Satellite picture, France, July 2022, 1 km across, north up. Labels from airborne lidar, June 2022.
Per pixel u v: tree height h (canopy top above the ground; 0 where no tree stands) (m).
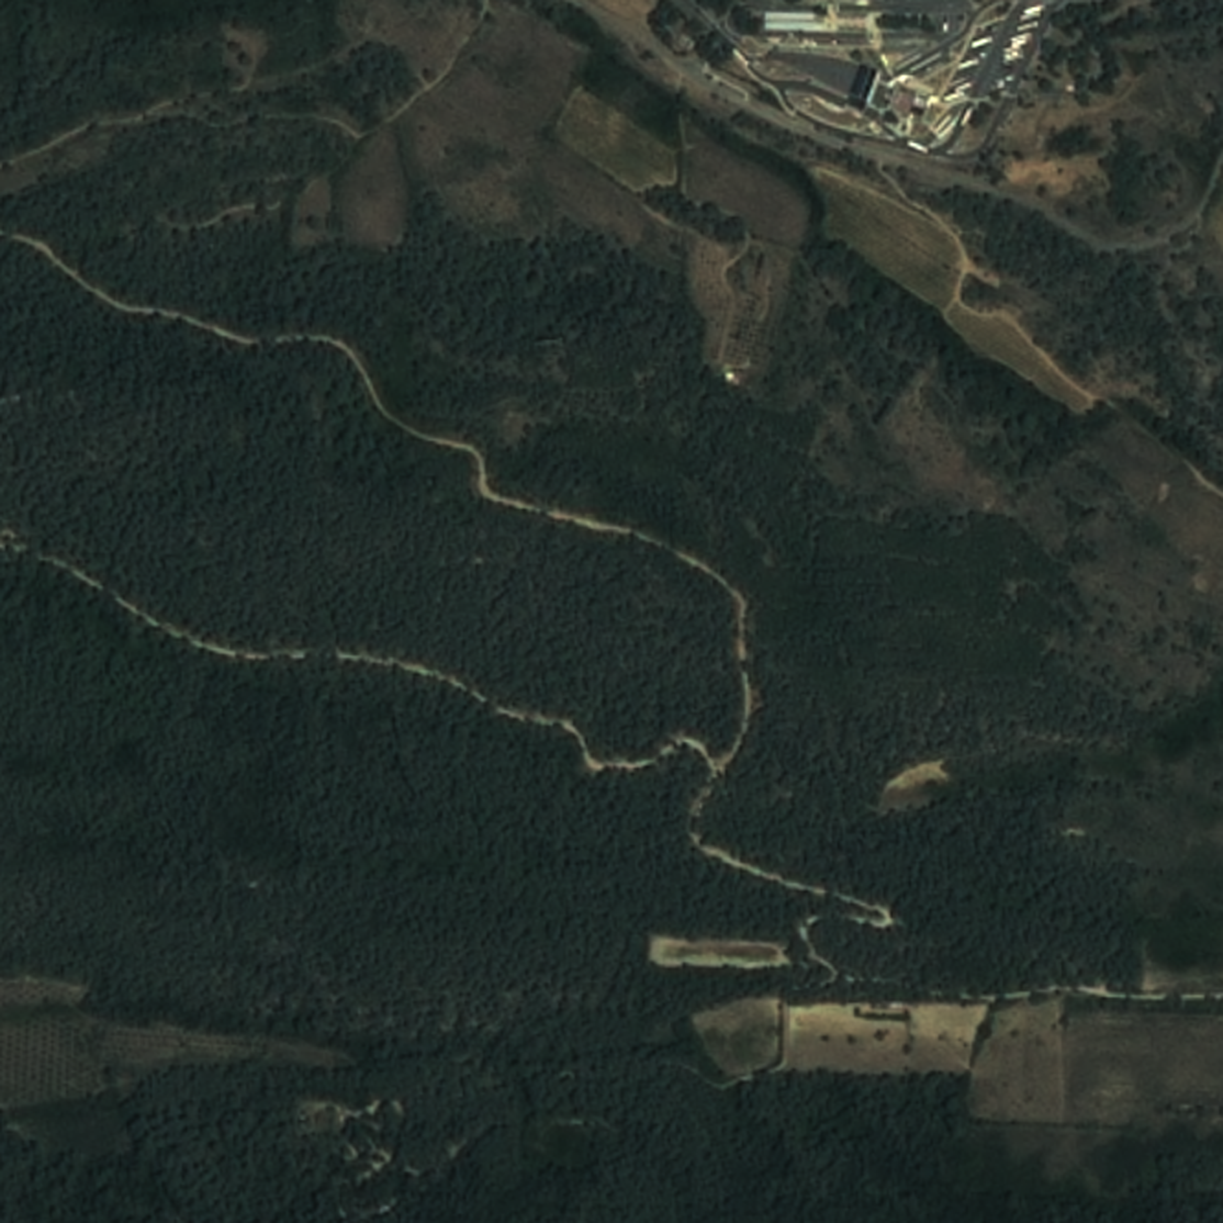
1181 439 7
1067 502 6
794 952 13
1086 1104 0
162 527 11
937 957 9
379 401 0
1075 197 0
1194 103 0
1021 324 0
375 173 0
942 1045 0
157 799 10
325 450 12
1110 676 7
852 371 11
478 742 16
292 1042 8
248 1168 15
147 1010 10
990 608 6
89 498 15
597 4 0
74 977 13
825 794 15
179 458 16
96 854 13
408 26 0
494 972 13
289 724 6
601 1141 8
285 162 10
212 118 9
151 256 13
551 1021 14
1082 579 0
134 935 8
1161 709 10
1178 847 0
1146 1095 0
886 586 7
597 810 9
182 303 11
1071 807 7
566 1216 13
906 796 0
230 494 13
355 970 12
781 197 0
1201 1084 0
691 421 8
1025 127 0
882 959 12
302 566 13
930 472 0
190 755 11
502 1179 12
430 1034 13
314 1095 10
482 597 14
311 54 9
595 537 8
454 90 0
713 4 16
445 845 13
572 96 0
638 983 14
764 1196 16
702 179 0
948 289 0
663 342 12
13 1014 0
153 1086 10
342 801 13
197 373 14
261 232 10
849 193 0
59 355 12
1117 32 8
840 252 18
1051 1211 12
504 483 8
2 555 16
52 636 13
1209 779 0
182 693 11
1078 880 14
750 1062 0
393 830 13
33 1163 14
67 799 11
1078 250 11
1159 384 6
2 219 10
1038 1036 0
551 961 11
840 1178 13
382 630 13
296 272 7
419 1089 15
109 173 8
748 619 9
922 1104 11
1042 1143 0
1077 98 6
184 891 11
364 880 8
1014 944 12
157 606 15
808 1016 0
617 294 14
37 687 13
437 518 11
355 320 11
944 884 16
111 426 11
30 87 15
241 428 12
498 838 15
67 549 12
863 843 12
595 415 9
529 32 0
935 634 6
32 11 11
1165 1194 15
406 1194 16
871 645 11
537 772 14
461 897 11
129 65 12
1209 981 0
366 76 14
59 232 9
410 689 12
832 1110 13
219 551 11
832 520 7
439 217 10
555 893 10
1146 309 11
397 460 12
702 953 0
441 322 9
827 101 0
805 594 8
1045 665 12
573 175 0
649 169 0
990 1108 0
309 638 14
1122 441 0
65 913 9
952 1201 10
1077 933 12
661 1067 13
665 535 9
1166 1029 0
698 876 15
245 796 6
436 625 9
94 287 15
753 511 14
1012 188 0
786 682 7
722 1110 11
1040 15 0
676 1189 11
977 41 0
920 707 9
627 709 11
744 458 12
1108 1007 13
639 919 12
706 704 11
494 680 9
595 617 11
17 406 10
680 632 10
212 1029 10
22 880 10
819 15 9
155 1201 9
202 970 12
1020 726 12
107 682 11
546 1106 16
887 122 7
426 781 11
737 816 12
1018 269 7
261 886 8
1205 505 0
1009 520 6
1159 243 0
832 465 0
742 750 11
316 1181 20
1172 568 0
